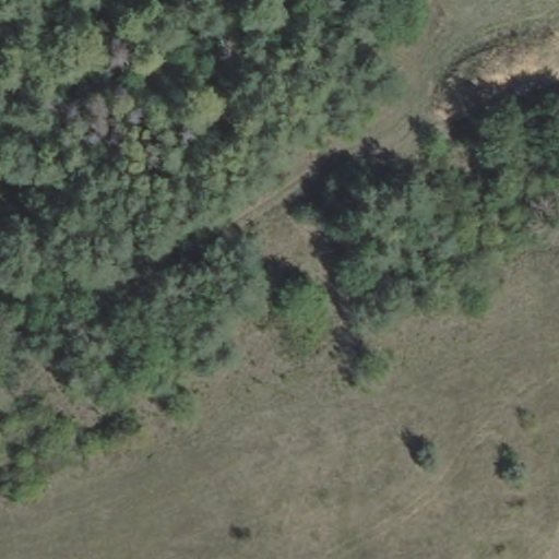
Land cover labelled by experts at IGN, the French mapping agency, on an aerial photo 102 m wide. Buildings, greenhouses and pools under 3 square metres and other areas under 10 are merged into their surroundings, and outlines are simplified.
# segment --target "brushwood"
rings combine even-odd
[[[31,430],[24,419],[20,419],[9,419],[0,426],[0,500],[11,500],[17,504],[39,502],[48,491],[46,483],[39,487],[20,485],[20,454],[26,454],[46,435],[52,435],[52,430],[48,426],[35,426]]]

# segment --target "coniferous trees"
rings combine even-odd
[[[498,214],[487,214],[487,194],[478,192],[476,183],[472,183],[467,190],[463,186],[463,177],[459,177],[461,168],[469,173],[467,157],[465,146],[452,142],[450,133],[437,133],[435,142],[417,144],[419,157],[411,159],[415,177],[408,186],[389,179],[384,181],[373,170],[356,170],[352,175],[349,201],[345,207],[341,207],[343,214],[362,214],[362,227],[371,236],[380,236],[386,242],[384,255],[365,255],[365,264],[369,269],[382,269],[384,275],[371,290],[356,295],[352,314],[358,328],[354,328],[352,332],[358,336],[362,336],[365,330],[380,332],[382,328],[386,328],[393,334],[402,328],[404,317],[413,317],[419,310],[450,314],[459,314],[461,310],[459,293],[463,286],[478,288],[487,299],[493,293],[502,290],[502,271],[509,262],[539,247],[559,247],[559,168],[548,166],[546,162],[537,164],[531,151],[515,151],[511,162],[502,162],[498,166],[502,173],[518,170],[520,197],[515,203],[500,207]],[[428,229],[428,247],[424,249],[408,249],[402,245],[402,227],[413,216],[419,225]]]
[[[22,352],[13,352],[11,347],[17,334],[15,328],[24,321],[24,306],[15,306],[0,319],[0,386],[17,386],[20,373],[28,367],[28,362],[22,358]]]
[[[269,299],[269,280],[262,269],[262,260],[266,255],[253,240],[240,238],[236,229],[236,218],[242,214],[242,207],[253,199],[258,186],[269,186],[275,173],[284,173],[290,168],[301,144],[314,142],[321,131],[341,135],[354,118],[360,120],[362,116],[369,116],[378,120],[393,100],[404,98],[408,94],[411,85],[395,70],[395,52],[400,48],[397,44],[386,48],[380,46],[373,39],[373,28],[384,20],[384,13],[400,9],[402,0],[343,0],[341,9],[334,13],[325,11],[323,15],[308,15],[299,11],[297,0],[0,0],[0,290],[11,293],[15,297],[37,293],[57,295],[63,290],[63,284],[74,280],[81,284],[81,288],[94,288],[98,312],[83,323],[74,319],[68,323],[68,330],[74,330],[74,349],[79,349],[81,356],[66,358],[61,367],[52,373],[59,384],[68,384],[74,393],[85,393],[92,386],[98,386],[111,369],[118,369],[122,365],[127,352],[131,356],[138,354],[140,345],[148,345],[148,352],[157,347],[175,347],[173,360],[181,360],[181,352],[186,349],[194,360],[197,371],[203,376],[212,373],[223,365],[223,360],[229,358],[229,330],[245,317],[251,317],[260,304]],[[190,37],[192,28],[197,28],[201,37],[218,37],[218,46],[212,46],[216,66],[207,81],[197,79],[190,70],[186,70],[183,63],[164,63],[164,57],[173,48],[181,46]],[[90,144],[103,142],[107,146],[107,153],[96,159],[96,166],[83,162],[81,140]],[[28,207],[26,186],[41,186],[39,194],[46,197],[46,203],[39,207]]]

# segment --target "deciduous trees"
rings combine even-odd
[[[373,28],[373,39],[380,46],[386,48],[397,44],[400,48],[417,46],[424,39],[430,26],[428,0],[402,0],[400,9],[384,13],[384,20]]]
[[[37,354],[48,365],[46,369],[52,373],[61,367],[66,358],[81,356],[79,349],[74,349],[74,330],[68,330],[68,323],[74,319],[83,323],[98,312],[94,288],[81,288],[81,284],[74,280],[63,284],[63,290],[57,295],[37,293],[15,297],[11,293],[0,290],[0,319],[15,306],[24,306],[24,321],[15,328],[17,334],[11,347],[13,352],[22,352]]]
[[[428,229],[419,225],[413,216],[402,227],[402,245],[408,249],[424,249],[428,247]]]
[[[192,28],[190,37],[181,46],[173,48],[164,57],[164,63],[183,63],[186,70],[190,70],[197,79],[207,81],[216,66],[212,46],[218,46],[218,37],[201,37],[197,28]]]
[[[489,308],[487,299],[478,288],[463,286],[459,293],[461,310],[467,317],[483,319]]]
[[[369,349],[367,356],[358,362],[358,376],[367,373],[373,380],[386,373],[389,362],[395,354],[393,349]]]
[[[111,369],[98,386],[92,386],[85,393],[107,413],[94,426],[79,428],[72,421],[72,415],[63,415],[44,402],[26,411],[20,419],[24,419],[31,430],[35,426],[48,426],[52,430],[52,435],[46,435],[26,454],[20,454],[20,485],[39,487],[46,483],[48,476],[63,472],[66,467],[87,467],[90,461],[103,454],[142,452],[151,445],[151,439],[157,445],[164,445],[168,439],[173,439],[179,445],[186,428],[197,426],[203,417],[201,402],[194,397],[197,389],[186,389],[181,384],[181,371],[197,371],[194,360],[186,349],[181,352],[181,360],[173,360],[175,347],[157,347],[148,352],[148,345],[140,345],[138,354],[131,356],[127,352],[122,365],[118,369]]]
[[[371,236],[362,227],[362,214],[343,214],[332,218],[330,225],[317,223],[317,231],[328,234],[334,240],[352,240],[345,247],[347,260],[343,260],[341,264],[338,280],[347,295],[356,295],[371,290],[384,275],[382,269],[369,269],[365,264],[365,255],[384,255],[386,242],[380,236]]]
[[[559,100],[555,105],[546,100],[539,107],[526,111],[522,111],[522,107],[515,100],[511,100],[504,109],[483,120],[480,133],[491,140],[491,144],[485,151],[485,159],[476,155],[467,157],[469,173],[461,168],[459,177],[463,177],[463,186],[467,190],[472,183],[476,183],[478,192],[487,194],[487,214],[498,214],[500,207],[515,203],[520,197],[518,170],[502,173],[498,166],[502,162],[511,162],[515,151],[531,151],[537,164],[546,162],[548,166],[559,168]]]
[[[83,162],[96,166],[96,159],[107,153],[107,146],[103,142],[90,144],[81,140]]]
[[[297,0],[299,11],[308,15],[323,15],[325,11],[334,13],[341,9],[343,0]]]
[[[28,207],[39,207],[46,203],[46,197],[39,194],[41,186],[26,186]]]
[[[435,469],[432,445],[426,445],[413,461],[419,467]]]
[[[332,330],[332,312],[336,308],[332,306],[330,295],[319,282],[310,280],[304,288],[299,288],[297,284],[286,284],[282,288],[282,308],[273,308],[269,299],[260,304],[251,317],[258,330],[280,332],[277,356],[286,356],[288,360],[304,356],[308,358],[314,347],[323,343],[323,338]]]

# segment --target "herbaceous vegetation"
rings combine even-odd
[[[559,0],[428,0],[430,26],[424,39],[417,46],[400,48],[395,52],[395,70],[411,85],[408,94],[404,98],[393,100],[378,120],[369,116],[362,116],[360,120],[354,118],[341,135],[321,131],[314,142],[301,144],[290,168],[284,173],[275,173],[269,186],[258,186],[253,199],[242,207],[242,214],[236,218],[236,229],[240,238],[253,240],[266,255],[262,260],[262,269],[269,280],[269,299],[273,308],[282,308],[282,288],[286,284],[297,284],[299,288],[304,288],[310,280],[319,282],[330,295],[332,306],[336,308],[332,312],[332,330],[323,338],[323,343],[314,347],[308,358],[304,356],[288,360],[286,356],[277,356],[280,332],[258,330],[251,317],[245,317],[229,330],[229,358],[223,360],[223,365],[212,373],[203,376],[197,371],[181,371],[181,384],[186,389],[197,389],[194,397],[201,402],[203,417],[197,426],[186,428],[179,445],[173,439],[168,439],[164,445],[157,445],[151,439],[151,445],[142,452],[103,454],[90,461],[87,467],[66,467],[63,472],[48,476],[46,483],[48,491],[39,502],[17,504],[11,500],[0,500],[0,559],[559,559],[559,247],[539,247],[509,262],[502,271],[502,290],[493,293],[487,299],[489,308],[483,319],[467,317],[461,310],[459,314],[450,314],[419,310],[413,317],[404,317],[402,328],[393,334],[386,328],[382,328],[380,332],[365,330],[362,336],[358,336],[352,332],[354,328],[358,328],[352,314],[356,295],[347,295],[338,280],[341,264],[343,260],[347,260],[345,247],[352,240],[334,240],[328,234],[317,231],[317,223],[330,225],[332,218],[343,214],[341,207],[345,207],[349,201],[352,175],[356,170],[373,170],[384,181],[389,179],[408,186],[415,177],[411,159],[419,157],[417,144],[435,142],[437,133],[450,133],[452,142],[465,146],[467,157],[476,155],[485,159],[485,151],[491,144],[491,140],[480,133],[483,120],[504,109],[511,100],[515,100],[522,107],[522,111],[526,111],[539,107],[546,100],[555,105],[559,100]],[[367,373],[358,376],[358,362],[367,356],[369,349],[393,349],[395,354],[389,362],[386,373],[373,380]],[[432,445],[435,469],[419,467],[413,461],[426,445]]]
[[[9,419],[20,419],[26,411],[44,402],[63,415],[72,415],[72,421],[79,428],[94,426],[107,413],[85,393],[74,393],[68,384],[59,384],[52,373],[46,369],[48,365],[37,354],[22,352],[22,358],[28,362],[28,367],[20,373],[17,386],[0,386],[0,426]]]

